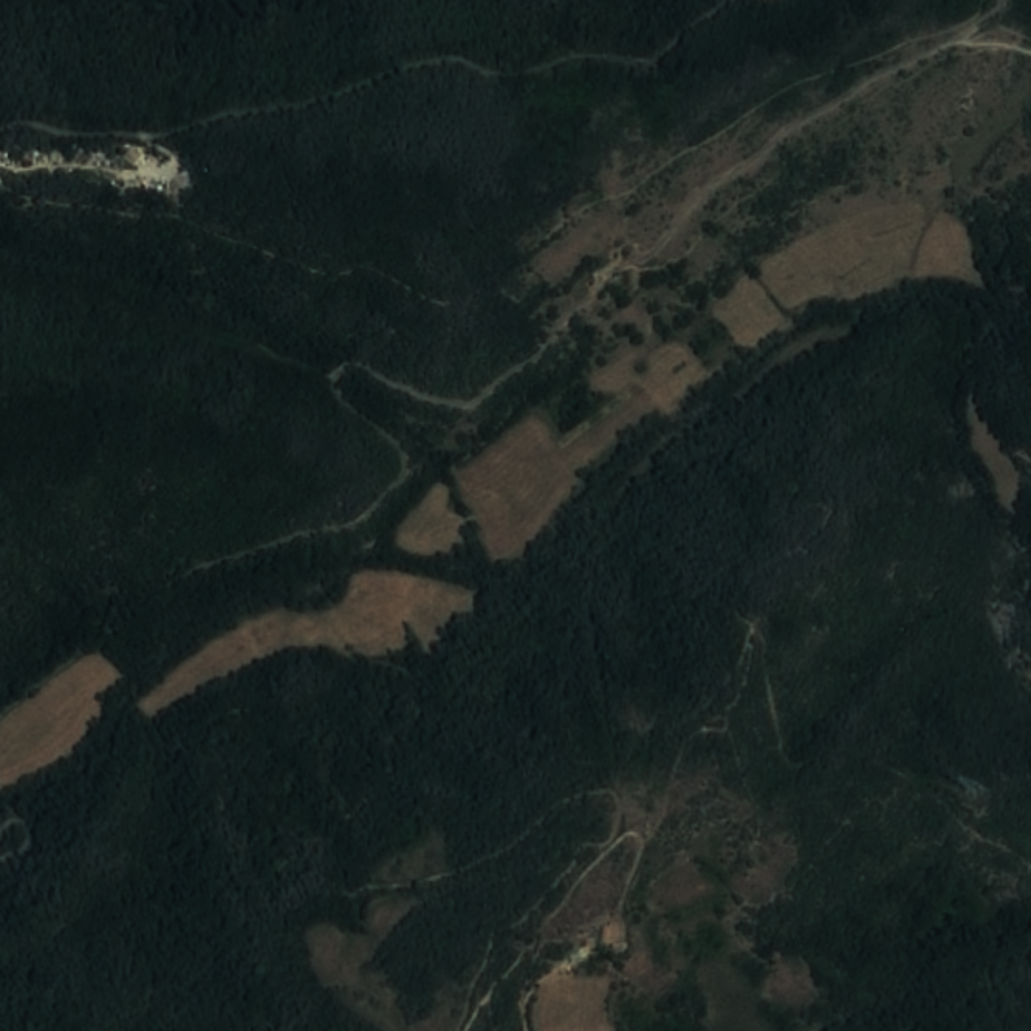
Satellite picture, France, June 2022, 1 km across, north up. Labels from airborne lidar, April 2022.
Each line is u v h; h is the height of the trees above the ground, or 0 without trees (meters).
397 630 0
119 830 10
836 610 6
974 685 11
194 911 17
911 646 9
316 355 16
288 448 8
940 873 11
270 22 21
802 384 7
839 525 7
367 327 9
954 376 8
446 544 0
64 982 9
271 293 10
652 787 0
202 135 12
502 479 0
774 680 7
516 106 10
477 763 13
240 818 11
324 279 8
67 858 14
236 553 11
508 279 7
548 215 11
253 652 0
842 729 9
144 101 15
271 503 8
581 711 8
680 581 10
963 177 0
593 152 0
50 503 10
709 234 18
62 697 0
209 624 10
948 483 8
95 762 17
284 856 11
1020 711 10
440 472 7
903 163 0
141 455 10
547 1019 0
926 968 13
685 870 0
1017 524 11
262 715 13
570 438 0
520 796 7
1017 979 10
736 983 0
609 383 0
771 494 13
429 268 8
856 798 8
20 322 9
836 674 7
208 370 6
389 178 9
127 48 17
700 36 10
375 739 13
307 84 12
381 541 9
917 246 0
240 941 8
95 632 18
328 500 9
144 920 9
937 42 0
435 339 10
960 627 9
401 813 8
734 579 10
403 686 10
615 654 13
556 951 7
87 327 15
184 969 7
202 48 16
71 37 13
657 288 11
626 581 8
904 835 7
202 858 12
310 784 12
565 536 16
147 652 11
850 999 10
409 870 0
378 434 9
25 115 10
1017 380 9
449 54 12
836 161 8
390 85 12
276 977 7
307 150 12
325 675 13
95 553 8
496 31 15
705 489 8
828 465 13
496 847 7
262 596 11
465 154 8
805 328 10
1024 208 6
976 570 7
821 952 9
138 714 13
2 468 6
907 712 10
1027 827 7
